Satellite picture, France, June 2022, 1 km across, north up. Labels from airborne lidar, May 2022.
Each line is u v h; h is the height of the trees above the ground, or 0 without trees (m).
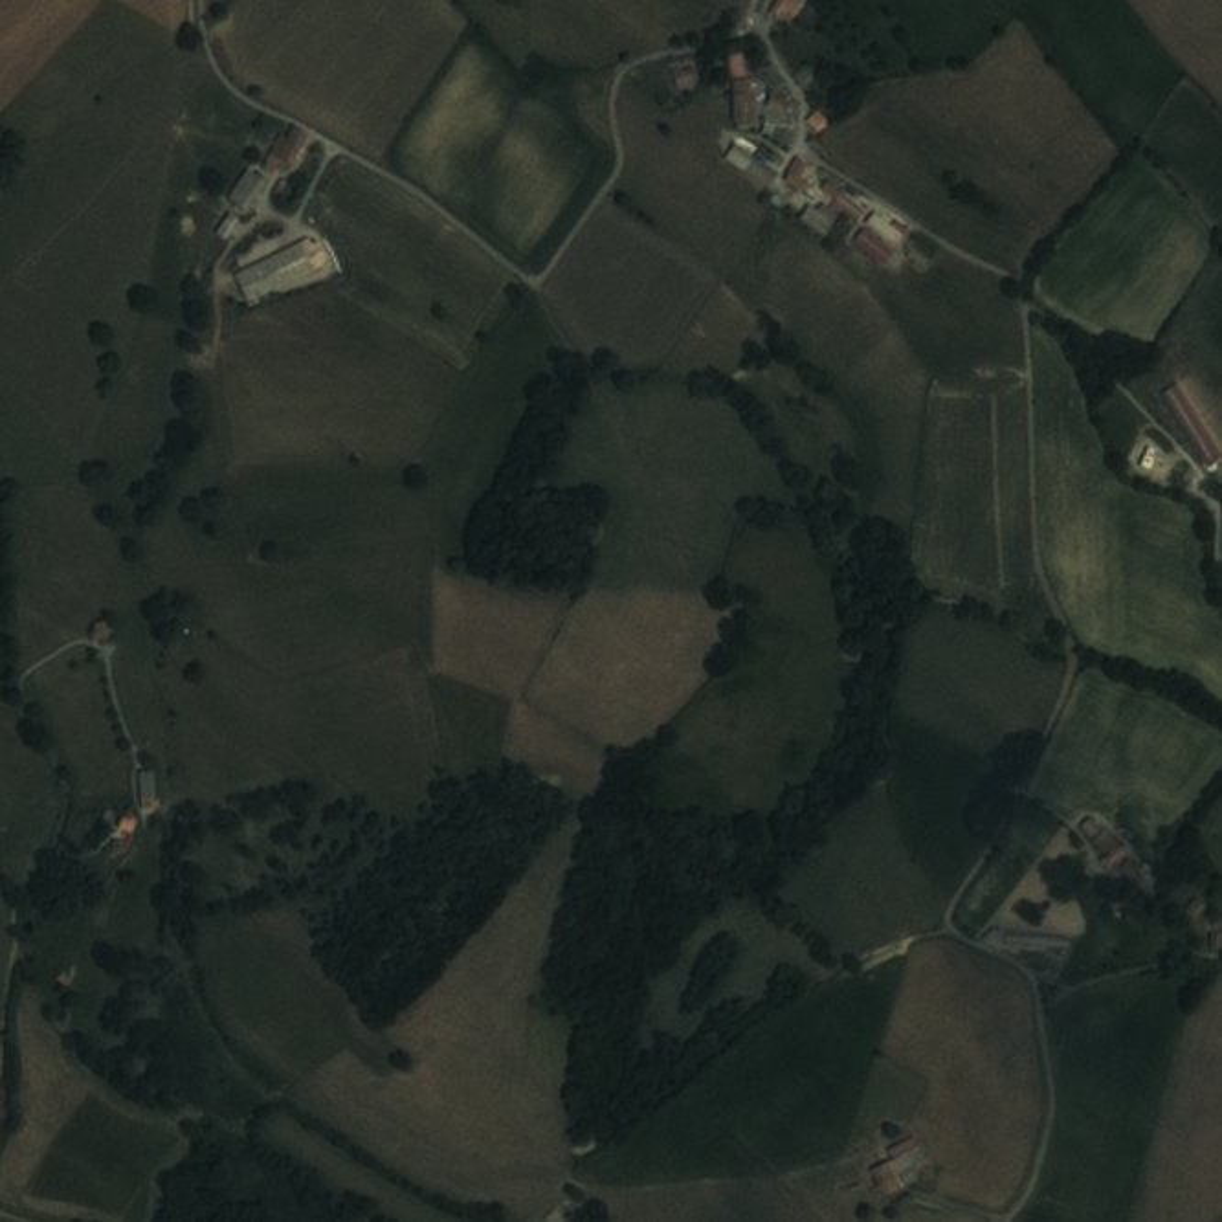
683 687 0
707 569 0
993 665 0
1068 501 0
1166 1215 0
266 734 0
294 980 0
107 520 19
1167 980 15
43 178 0
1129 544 0
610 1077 20
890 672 8
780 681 0
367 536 0
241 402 0
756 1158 0
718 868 13
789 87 0
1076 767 0
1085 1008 0
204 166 0
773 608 0
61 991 9
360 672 0
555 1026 0
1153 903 11
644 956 11
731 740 0
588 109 0
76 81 0
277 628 0
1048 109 0
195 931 13
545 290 0
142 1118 0
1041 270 12
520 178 0
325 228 0
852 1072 0
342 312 0
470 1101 0
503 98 0
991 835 17
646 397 0
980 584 0
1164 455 0
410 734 0
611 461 0
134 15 0
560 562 16
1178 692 16
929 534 0
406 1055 14
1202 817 13
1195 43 0
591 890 15
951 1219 0
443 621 0
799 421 0
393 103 0
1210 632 0
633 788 22
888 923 0
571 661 0
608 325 0
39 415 0
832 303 0
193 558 0
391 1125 0
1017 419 0
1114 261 0
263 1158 9
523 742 0
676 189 0
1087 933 0
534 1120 0
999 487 0
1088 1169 0
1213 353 0
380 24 0
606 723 0
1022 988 0
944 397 0
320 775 0
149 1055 16
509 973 0
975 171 0
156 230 0
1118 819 0
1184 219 0
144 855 0
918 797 0
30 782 0
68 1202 0
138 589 0
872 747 20
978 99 0
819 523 16
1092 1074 0
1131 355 19
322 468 0
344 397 0
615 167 0
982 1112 0
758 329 0
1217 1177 0
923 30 0
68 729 0
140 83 0
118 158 0
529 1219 0
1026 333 0
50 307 0
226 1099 0
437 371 0
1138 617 0
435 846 19
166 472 13
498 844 18
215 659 0
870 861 0
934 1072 0
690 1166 0
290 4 0
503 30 0
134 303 14
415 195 0
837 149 0
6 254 0
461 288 0
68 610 0
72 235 0
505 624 0
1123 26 0
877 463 0
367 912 18
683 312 0
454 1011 0
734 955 10
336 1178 0
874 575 28
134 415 0
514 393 0
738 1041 9
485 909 15
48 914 19
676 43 11
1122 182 0
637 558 0
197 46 12
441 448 0
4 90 0
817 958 15
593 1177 0
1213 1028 0
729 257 0
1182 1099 0
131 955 20
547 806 18
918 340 0
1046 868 16
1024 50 0
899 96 0
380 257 0
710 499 0
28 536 0
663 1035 16
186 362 0
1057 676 0
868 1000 0
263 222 0
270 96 0
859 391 0
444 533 0
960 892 0
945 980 0
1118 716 0
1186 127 0
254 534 0
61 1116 0
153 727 0
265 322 0
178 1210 25
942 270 0
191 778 0
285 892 15
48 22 0
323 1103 0
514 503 22
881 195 0
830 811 12
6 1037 8
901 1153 0
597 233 0
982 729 0
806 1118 0
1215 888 14
